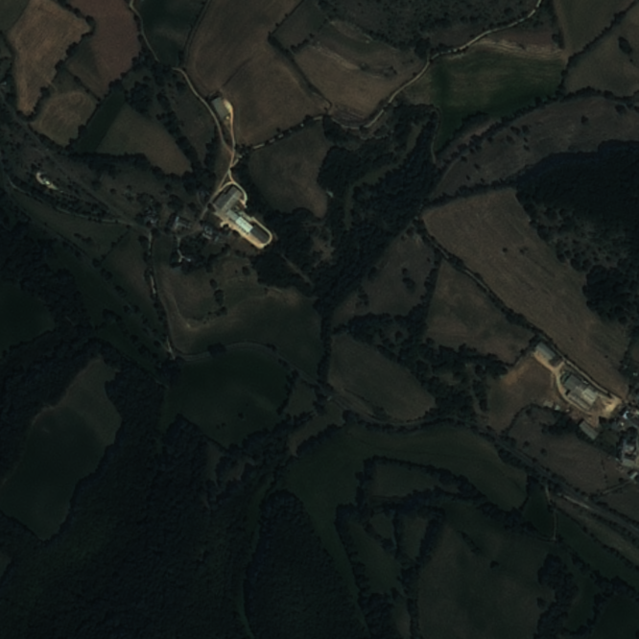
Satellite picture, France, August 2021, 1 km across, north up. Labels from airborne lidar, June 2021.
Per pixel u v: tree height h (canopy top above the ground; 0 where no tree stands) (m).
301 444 0
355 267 11
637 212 15
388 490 0
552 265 0
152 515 28
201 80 0
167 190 7
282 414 13
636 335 10
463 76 0
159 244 0
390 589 0
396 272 0
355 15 0
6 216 7
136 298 0
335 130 7
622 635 0
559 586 16
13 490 0
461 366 14
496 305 10
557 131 0
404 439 0
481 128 0
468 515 0
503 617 0
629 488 0
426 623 0
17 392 22
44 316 0
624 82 0
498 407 0
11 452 31
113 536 21
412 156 10
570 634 9
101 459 0
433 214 0
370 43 0
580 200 12
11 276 17
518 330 0
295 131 9
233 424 0
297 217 9
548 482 7
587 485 0
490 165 0
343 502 0
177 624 27
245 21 0
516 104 0
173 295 0
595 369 0
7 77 8
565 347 0
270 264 16
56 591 28
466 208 0
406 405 0
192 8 0
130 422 20
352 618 23
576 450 0
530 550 0
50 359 18
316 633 18
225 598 27
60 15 0
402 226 9
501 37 0
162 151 0
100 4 0
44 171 0
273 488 9
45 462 0
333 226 10
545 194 12
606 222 10
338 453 0
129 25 0
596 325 0
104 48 0
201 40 0
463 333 0
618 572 0
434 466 0
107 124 0
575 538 0
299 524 24
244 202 0
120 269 0
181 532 24
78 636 32
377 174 0
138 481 26
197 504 18
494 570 8
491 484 0
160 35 0
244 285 0
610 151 17
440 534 15
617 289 15
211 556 19
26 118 8
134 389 10
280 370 0
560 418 14
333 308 13
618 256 6
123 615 28
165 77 10
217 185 0
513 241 0
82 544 14
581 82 0
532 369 0
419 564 11
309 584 17
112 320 15
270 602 21
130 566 26
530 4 0
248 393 0
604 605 19
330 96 0
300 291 11
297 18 0
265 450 16
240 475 0
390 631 9
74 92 0
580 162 18
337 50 0
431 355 15
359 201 15
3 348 0
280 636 24
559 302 0
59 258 30
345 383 0
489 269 0
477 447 0
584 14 0
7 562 0
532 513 0
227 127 0
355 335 14
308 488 0
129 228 9
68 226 0
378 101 0
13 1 0
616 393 0
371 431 14
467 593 0
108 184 0
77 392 0
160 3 0
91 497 24
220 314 7
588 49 9
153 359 13
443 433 0
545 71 0
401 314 0
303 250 14
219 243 0
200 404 0
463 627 0
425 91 0
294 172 0
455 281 0
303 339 0
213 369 0
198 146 0
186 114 0
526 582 0
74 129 0
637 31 0
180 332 0
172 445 34
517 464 11
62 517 0
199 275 0
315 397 0
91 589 29
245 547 19
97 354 13
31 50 0
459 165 0
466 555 0
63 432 0
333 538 0
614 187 19
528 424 0
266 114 0
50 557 16
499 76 0
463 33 0
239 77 0
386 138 8
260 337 0
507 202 0
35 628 22
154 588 21
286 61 0
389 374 0
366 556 0
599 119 0
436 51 8
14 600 14
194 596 22
